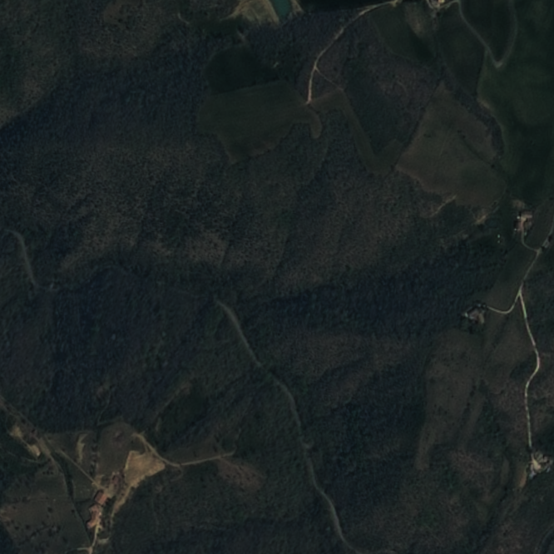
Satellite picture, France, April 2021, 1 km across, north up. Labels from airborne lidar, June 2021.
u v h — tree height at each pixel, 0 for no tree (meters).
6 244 9
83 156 6
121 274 23
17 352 13
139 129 13
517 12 0
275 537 11
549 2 0
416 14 0
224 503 7
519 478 0
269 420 14
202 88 14
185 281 19
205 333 15
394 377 13
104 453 0
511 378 6
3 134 7
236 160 0
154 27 7
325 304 15
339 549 22
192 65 12
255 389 14
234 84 0
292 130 9
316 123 0
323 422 13
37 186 7
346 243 7
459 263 11
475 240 10
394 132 8
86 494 0
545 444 9
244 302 13
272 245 8
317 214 9
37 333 12
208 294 11
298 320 14
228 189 7
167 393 14
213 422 16
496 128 9
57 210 7
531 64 0
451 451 8
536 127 0
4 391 7
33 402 17
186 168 8
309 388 9
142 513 9
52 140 12
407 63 8
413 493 14
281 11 0
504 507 0
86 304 12
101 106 8
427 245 13
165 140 10
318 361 7
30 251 14
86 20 6
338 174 10
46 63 7
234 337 16
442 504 12
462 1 0
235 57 0
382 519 9
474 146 0
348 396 13
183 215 12
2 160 7
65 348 11
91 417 11
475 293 6
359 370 8
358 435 9
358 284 32
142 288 23
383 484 10
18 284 10
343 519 6
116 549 14
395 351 10
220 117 0
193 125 12
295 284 10
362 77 11
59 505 0
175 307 18
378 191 11
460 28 0
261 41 17
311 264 9
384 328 19
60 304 9
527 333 0
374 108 13
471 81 0
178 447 17
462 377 0
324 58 7
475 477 12
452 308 11
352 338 10
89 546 0
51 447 0
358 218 6
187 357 14
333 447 17
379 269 15
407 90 6
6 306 9
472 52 0
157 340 11
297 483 7
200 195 7
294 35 14
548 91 0
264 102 0
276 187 10
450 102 0
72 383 13
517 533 14
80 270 18
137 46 10
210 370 6
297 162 13
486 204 0
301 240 10
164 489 12
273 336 8
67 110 8
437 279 21
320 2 0
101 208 7
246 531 14
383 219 11
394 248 7
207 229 9
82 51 7
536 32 0
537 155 0
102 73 17
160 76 11
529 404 10
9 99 6
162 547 24
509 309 0
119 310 18
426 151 0
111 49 6
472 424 0
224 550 18
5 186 6
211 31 0
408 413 8
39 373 13
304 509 17
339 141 7
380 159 0
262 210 6
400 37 0
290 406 8
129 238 8
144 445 0
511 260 0
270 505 11
